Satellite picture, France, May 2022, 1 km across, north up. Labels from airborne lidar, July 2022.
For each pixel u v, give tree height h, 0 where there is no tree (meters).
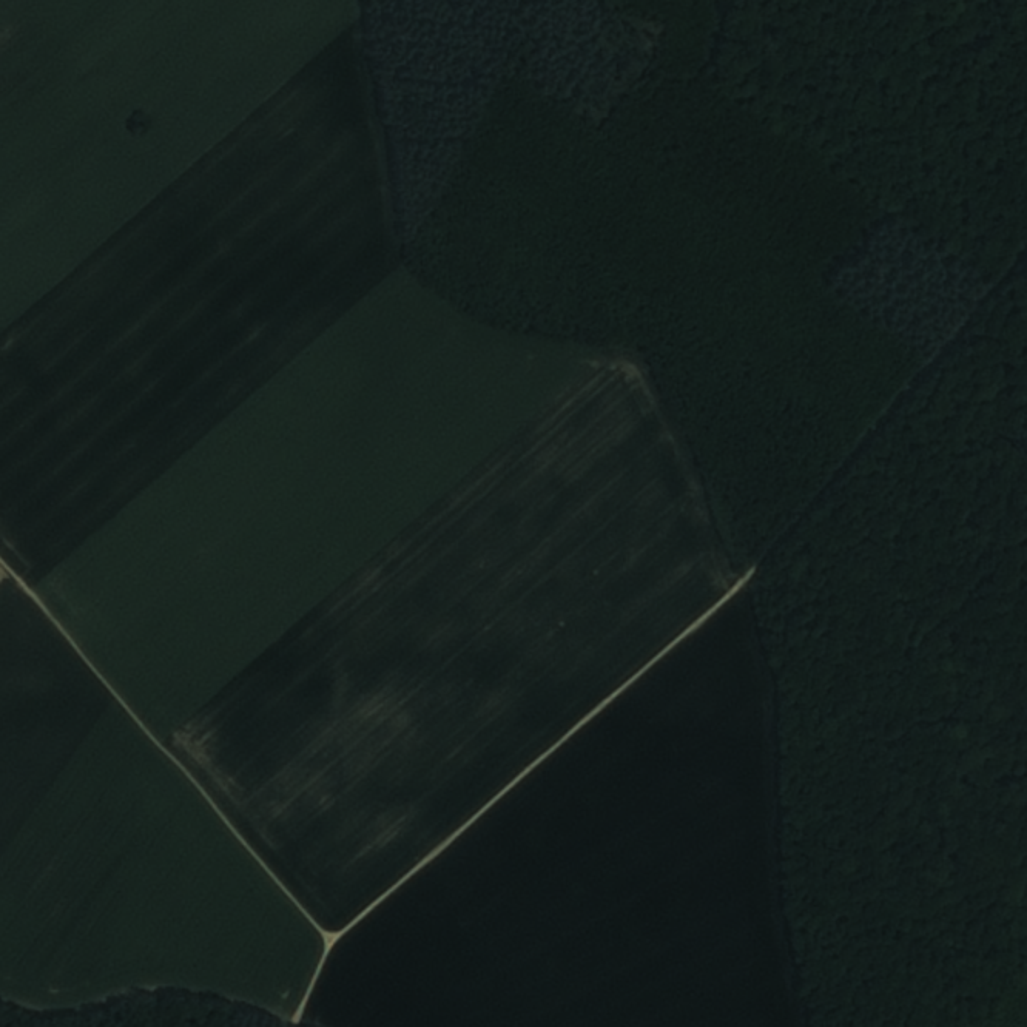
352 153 0
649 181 14
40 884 0
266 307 0
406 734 0
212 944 0
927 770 24
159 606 0
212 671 0
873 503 26
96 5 0
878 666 27
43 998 0
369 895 0
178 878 0
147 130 14
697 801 0
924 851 32
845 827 25
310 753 0
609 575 0
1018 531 34
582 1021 0
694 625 0
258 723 0
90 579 0
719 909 0
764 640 20
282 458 0
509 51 22
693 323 17
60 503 0
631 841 0
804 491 19
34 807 0
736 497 18
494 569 0
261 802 0
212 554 0
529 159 15
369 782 0
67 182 0
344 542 0
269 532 0
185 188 0
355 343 0
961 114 22
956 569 27
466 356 0
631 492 0
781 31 29
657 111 14
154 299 0
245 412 0
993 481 27
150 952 0
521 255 11
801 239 6
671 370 17
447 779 0
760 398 16
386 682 0
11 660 0
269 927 0
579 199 16
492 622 0
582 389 0
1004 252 26
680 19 8
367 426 0
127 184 0
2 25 0
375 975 0
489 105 18
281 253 0
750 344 14
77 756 0
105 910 0
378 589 0
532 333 18
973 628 28
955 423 27
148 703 0
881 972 27
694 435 13
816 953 22
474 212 13
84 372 0
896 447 23
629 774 0
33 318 0
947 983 22
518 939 0
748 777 0
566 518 0
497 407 0
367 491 0
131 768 0
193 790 0
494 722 0
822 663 27
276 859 0
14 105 0
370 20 23
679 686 0
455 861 0
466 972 0
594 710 0
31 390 0
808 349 11
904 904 31
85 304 0
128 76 0
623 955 0
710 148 7
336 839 0
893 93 22
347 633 0
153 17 0
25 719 0
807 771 22
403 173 27
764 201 11
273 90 0
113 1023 24
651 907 0
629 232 12
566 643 0
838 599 28
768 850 0
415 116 28
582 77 33
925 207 25
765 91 30
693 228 15
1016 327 31
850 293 31
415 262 16
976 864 31
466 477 0
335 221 0
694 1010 0
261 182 0
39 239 0
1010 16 29
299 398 0
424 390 0
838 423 16
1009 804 31
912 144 27
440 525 0
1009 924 31
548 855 0
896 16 29
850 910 28
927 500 21
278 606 0
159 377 0
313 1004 0
